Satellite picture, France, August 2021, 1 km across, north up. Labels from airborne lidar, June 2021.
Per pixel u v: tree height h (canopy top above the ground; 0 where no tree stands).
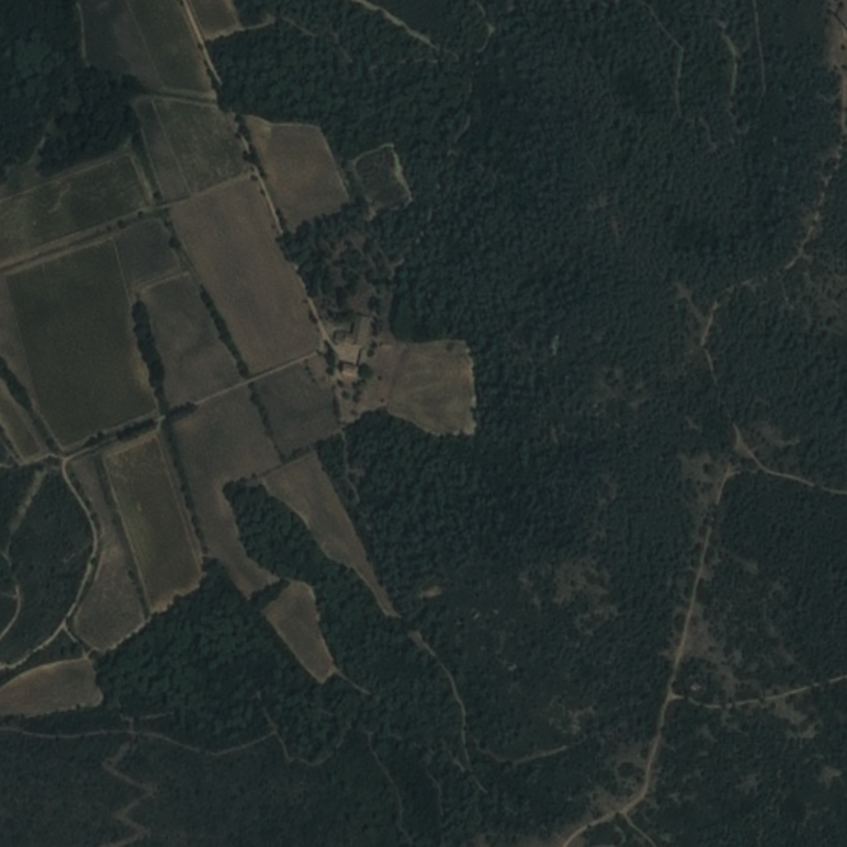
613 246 9
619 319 12
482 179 18
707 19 12
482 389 10
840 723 7
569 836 0
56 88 13
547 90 11
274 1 16
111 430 0
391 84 7
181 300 0
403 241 16
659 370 13
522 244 10
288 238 13
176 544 0
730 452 11
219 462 0
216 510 0
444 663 7
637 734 7
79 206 0
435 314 21
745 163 8
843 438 13
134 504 0
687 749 8
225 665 10
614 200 9
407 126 17
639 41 16
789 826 6
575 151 7
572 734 0
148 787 0
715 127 12
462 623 12
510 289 17
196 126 0
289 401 0
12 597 0
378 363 0
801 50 7
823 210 9
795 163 11
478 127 7
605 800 0
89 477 0
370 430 10
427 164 12
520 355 13
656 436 12
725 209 15
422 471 13
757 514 7
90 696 0
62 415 0
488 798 10
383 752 12
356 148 10
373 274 19
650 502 12
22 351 0
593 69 12
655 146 15
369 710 12
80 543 0
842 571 7
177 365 0
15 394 9
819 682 8
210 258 0
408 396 0
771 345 15
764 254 11
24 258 0
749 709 0
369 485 16
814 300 11
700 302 8
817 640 6
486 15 9
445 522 14
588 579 0
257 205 0
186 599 7
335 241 10
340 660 11
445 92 15
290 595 0
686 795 7
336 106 13
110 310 0
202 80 0
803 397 6
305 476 0
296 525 10
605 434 7
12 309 0
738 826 7
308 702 8
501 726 8
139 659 12
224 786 0
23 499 0
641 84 6
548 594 7
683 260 14
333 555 0
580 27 19
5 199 0
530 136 8
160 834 0
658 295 14
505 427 11
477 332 18
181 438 0
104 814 0
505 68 6
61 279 0
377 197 0
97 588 0
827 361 12
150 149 0
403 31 11
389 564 11
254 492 12
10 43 7
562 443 8
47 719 6
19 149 9
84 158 9
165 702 13
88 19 0
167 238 0
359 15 14
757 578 7
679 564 13
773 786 7
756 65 10
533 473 6
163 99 0
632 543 10
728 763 7
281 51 8
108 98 13
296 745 12
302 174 0
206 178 0
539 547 6
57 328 0
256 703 7
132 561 0
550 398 9
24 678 0
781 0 0
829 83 6
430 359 0
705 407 8
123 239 0
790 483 7
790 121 12
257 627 10
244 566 0
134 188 0
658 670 8
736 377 9
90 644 0
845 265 9
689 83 12
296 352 0
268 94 13
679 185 17
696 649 0
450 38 6
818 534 7
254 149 7
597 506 8
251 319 0
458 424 0
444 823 8
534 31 11
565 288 12
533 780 11
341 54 14
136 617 0
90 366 0
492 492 6
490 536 6
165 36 0
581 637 9
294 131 0
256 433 0
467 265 10
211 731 9
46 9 7
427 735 11
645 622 8
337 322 11
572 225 11
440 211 15
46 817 0
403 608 14
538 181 11
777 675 6
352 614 11
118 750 0
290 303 0
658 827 6
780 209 11
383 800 10
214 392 0
